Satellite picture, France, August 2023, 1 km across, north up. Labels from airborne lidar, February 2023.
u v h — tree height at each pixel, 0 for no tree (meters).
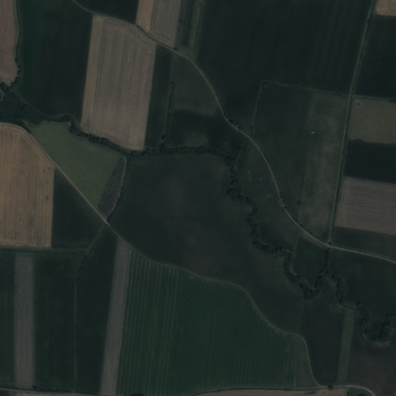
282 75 0
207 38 0
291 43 0
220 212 0
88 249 0
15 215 0
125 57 0
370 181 0
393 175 0
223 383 0
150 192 0
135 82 0
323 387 0
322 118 0
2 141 0
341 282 21
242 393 0
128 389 0
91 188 0
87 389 0
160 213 0
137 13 0
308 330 0
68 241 0
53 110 0
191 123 0
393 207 0
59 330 0
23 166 0
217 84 0
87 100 0
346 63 0
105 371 0
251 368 0
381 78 0
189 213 0
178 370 0
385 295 0
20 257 0
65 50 0
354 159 0
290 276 13
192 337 0
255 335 0
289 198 0
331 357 0
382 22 0
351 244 0
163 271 0
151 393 0
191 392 0
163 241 0
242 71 0
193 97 0
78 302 0
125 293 0
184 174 0
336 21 0
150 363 0
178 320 0
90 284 0
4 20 0
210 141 0
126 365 0
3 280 0
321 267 0
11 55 0
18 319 0
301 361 0
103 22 0
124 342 0
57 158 0
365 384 0
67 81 0
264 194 0
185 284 0
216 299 0
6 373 0
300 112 0
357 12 0
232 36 0
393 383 0
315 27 0
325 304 0
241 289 0
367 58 0
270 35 0
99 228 0
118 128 0
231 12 0
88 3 0
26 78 0
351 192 0
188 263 0
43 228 0
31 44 0
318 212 0
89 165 0
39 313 0
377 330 0
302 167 0
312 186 0
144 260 0
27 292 0
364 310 12
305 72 0
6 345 0
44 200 0
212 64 0
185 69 0
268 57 0
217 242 0
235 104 0
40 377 0
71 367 0
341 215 0
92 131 0
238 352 0
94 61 0
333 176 0
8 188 0
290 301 0
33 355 0
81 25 0
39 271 0
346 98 0
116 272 0
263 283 0
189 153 12
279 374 0
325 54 0
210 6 0
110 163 0
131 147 0
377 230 0
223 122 0
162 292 0
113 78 0
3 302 0
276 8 0
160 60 0
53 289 0
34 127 0
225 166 0
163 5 0
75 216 0
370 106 0
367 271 0
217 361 0
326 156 0
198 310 0
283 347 0
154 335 0
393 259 0
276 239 0
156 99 0
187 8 0
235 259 0
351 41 0
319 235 0
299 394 0
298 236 0
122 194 6
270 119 0
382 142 0
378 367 0
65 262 0
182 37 0
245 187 0
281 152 0
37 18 0
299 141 0
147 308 0
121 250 0
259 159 0
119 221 0
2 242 0
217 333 0
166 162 0
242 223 0
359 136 0
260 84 0
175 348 0
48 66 0
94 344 0
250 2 0
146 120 0
